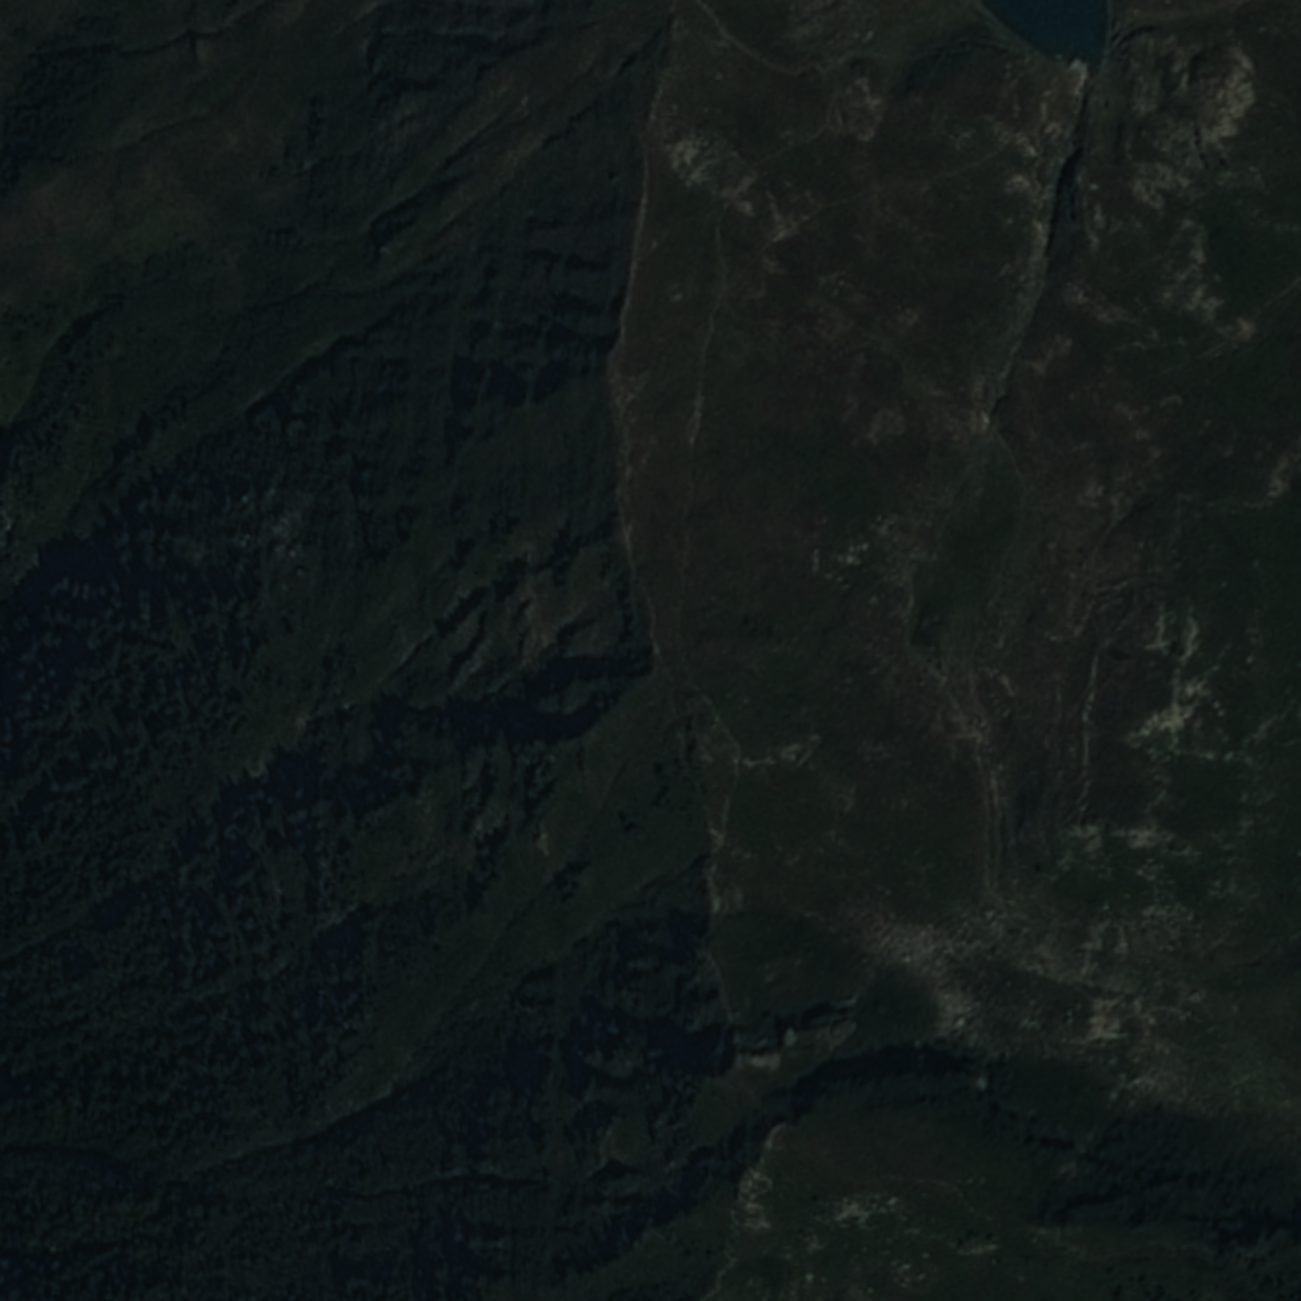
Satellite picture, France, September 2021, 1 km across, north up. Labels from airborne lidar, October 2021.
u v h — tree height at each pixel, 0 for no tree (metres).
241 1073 17
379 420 0
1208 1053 0
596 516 0
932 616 0
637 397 0
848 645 0
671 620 0
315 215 0
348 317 0
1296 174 0
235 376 6
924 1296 0
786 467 0
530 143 0
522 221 0
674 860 0
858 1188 0
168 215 0
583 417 0
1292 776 0
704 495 0
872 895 0
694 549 0
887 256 0
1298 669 0
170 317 0
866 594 0
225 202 0
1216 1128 0
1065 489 0
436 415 0
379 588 0
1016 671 0
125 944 11
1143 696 0
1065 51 0
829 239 0
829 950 0
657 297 0
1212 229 0
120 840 6
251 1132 0
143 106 0
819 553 0
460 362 0
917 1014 0
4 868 15
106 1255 10
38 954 8
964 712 0
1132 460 0
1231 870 0
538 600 0
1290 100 0
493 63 0
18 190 0
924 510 0
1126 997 0
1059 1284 0
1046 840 0
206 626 9
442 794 0
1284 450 0
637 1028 0
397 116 0
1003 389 0
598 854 0
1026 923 0
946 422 0
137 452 16
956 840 0
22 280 0
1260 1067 0
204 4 0
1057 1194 5
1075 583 0
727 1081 0
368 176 0
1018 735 0
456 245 0
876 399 0
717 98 0
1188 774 0
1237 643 0
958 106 0
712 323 0
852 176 0
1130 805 0
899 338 0
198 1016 12
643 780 0
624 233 0
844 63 0
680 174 0
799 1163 0
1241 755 0
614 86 0
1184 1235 0
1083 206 0
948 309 0
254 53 0
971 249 0
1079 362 0
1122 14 0
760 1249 0
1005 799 0
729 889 0
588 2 0
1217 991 0
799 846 0
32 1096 10
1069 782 0
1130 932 0
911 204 0
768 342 0
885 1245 0
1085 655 0
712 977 0
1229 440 0
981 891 0
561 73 0
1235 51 0
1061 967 0
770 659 0
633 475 0
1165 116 0
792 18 0
